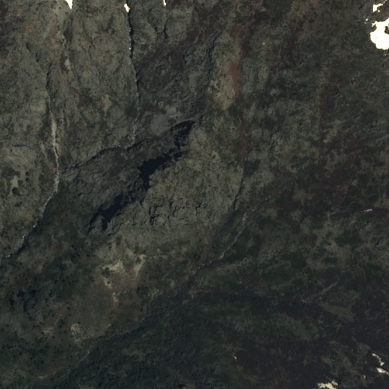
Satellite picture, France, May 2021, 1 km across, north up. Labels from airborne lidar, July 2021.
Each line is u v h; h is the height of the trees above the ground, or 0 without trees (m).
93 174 0
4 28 0
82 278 0
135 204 0
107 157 0
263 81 0
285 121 0
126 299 0
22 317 0
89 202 0
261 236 0
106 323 0
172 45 0
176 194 0
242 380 0
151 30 0
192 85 0
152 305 11
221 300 0
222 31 0
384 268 0
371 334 8
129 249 0
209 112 0
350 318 0
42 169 8
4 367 0
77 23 0
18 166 0
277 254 0
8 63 0
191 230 0
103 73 0
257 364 9
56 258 0
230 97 0
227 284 0
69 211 8
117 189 0
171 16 0
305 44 0
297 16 0
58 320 0
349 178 0
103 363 13
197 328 0
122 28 0
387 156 0
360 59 0
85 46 0
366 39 0
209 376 6
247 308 0
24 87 0
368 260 0
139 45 0
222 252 8
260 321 0
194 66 0
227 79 0
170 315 0
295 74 0
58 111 0
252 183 0
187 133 0
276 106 0
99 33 0
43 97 0
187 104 0
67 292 0
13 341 7
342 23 0
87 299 0
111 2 0
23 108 0
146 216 0
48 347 9
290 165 0
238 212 0
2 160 0
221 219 8
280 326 0
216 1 0
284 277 0
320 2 0
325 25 0
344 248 0
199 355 0
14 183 0
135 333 17
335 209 0
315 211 0
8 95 0
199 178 0
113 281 0
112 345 8
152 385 7
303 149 0
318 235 0
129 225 0
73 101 0
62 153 0
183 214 0
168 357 8
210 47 0
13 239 0
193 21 0
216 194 0
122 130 0
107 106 0
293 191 0
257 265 0
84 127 7
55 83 0
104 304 0
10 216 0
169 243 0
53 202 0
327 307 0
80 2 0
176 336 8
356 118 0
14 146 0
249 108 0
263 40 0
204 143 0
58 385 8
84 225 0
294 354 9
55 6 0
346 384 0
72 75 0
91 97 0
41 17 0
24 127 0
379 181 0
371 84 0
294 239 0
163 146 0
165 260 10
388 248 0
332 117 0
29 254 0
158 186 0
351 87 0
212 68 0
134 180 0
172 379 0
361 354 0
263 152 0
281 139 0
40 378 0
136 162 0
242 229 9
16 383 8
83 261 0
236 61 0
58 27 0
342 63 0
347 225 0
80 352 12
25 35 0
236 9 0
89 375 9
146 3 0
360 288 0
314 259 0
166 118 0
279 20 0
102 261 0
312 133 0
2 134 0
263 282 6
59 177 0
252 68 0
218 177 0
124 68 0
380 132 0
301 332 0
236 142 0
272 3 0
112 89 0
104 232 0
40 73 0
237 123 0
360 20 0
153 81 9
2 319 0
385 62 0
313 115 0
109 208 0
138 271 0
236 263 0
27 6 0
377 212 0
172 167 0
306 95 0
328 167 0
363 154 0
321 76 0
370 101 0
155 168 0
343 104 0
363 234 0
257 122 0
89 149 0
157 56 7
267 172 0
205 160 0
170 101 6
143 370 13
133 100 0
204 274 0
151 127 0
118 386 12
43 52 0
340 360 0
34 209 0
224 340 0
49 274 0
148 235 0
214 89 0
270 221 0
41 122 0
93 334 0
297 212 0
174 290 11
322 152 7
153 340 0
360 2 0
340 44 0
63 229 0
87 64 0
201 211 0
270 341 7
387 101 0
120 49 0
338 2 0
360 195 0
